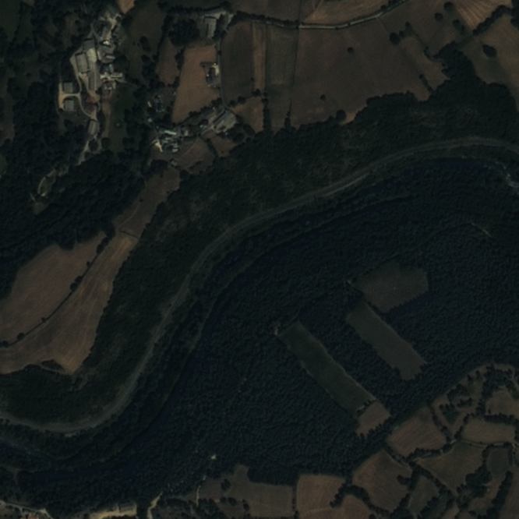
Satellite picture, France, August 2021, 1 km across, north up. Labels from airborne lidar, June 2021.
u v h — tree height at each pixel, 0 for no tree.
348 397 0
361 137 7
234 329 13
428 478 14
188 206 6
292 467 11
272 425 14
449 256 12
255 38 0
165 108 0
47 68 0
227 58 0
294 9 0
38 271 0
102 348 7
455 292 10
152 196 0
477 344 14
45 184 0
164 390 9
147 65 13
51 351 0
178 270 7
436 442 0
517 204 19
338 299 16
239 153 10
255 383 13
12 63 8
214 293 10
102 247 10
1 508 0
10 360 0
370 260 20
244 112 0
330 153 8
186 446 22
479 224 14
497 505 15
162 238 6
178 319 11
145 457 14
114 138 0
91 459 21
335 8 0
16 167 22
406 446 0
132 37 0
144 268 11
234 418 11
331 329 16
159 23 0
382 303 0
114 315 9
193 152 0
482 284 11
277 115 0
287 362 13
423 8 0
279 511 0
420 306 13
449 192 12
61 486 19
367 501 14
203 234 14
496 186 8
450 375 22
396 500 0
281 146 12
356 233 15
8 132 0
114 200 11
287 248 16
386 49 0
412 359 0
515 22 13
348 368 10
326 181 8
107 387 16
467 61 15
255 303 12
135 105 9
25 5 13
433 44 0
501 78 0
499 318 18
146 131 19
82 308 0
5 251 16
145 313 11
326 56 0
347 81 0
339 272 13
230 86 0
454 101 11
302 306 11
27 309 0
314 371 0
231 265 14
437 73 0
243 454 12
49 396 11
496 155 9
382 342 0
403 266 10
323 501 0
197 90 0
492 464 0
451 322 13
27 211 11
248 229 6
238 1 0
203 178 10
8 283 16
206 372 15
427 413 0
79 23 9
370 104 16
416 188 10
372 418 0
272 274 15
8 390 13
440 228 13
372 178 10
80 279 8
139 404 20
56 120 17
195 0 0
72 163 12
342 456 12
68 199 22
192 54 0
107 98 0
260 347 7
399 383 20
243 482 0
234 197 6
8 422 10
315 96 0
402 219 14
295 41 0
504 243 17
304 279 13
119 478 16
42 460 11
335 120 14
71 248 17
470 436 0
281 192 7
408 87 0
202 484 12
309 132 17
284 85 0
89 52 0
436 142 10
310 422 13
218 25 9
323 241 19
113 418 23
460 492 13
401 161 13
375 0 0
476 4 0
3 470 9
